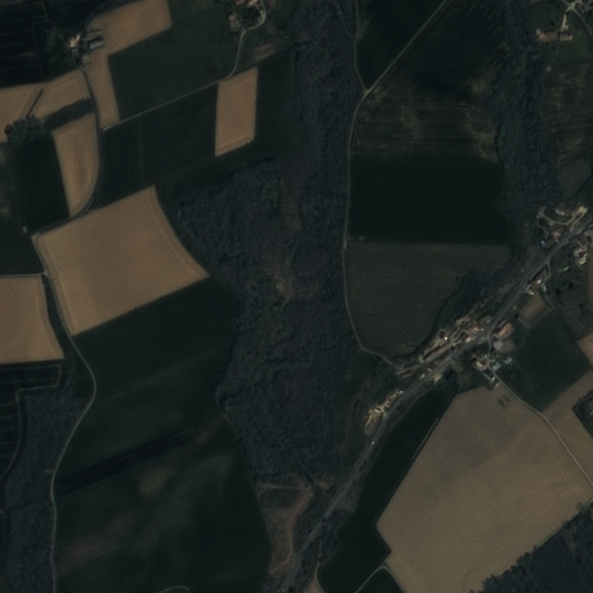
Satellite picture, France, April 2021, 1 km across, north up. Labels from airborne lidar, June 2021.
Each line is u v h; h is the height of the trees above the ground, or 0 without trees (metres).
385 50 0
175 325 0
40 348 0
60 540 0
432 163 0
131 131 0
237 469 0
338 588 0
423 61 0
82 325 0
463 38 0
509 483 0
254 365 14
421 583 0
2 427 0
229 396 7
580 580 10
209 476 0
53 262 0
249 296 16
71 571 0
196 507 0
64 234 0
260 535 0
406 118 0
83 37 8
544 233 14
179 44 0
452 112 0
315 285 17
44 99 0
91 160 0
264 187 17
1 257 0
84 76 0
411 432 0
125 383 0
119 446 0
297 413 18
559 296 11
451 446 0
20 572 18
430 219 0
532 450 0
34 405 15
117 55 0
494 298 10
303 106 11
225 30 0
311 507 6
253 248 14
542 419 0
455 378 18
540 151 12
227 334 0
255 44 0
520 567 12
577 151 0
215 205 19
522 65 22
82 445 0
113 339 0
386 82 0
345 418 0
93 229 0
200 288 0
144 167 0
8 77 0
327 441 8
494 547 0
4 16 0
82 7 0
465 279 8
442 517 0
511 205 7
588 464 0
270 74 0
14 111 0
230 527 0
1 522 0
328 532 12
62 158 0
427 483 0
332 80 6
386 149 0
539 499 0
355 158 0
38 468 15
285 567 0
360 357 0
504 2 19
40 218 0
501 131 13
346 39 13
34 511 23
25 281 0
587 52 0
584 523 7
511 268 15
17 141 9
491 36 0
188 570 0
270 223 17
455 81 0
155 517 0
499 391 0
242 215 20
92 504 0
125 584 0
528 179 8
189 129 0
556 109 0
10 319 0
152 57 0
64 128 0
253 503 0
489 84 0
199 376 0
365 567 0
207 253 7
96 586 0
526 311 0
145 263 0
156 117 0
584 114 0
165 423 0
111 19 0
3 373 0
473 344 0
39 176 0
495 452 0
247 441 13
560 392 0
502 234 0
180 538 0
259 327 14
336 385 6
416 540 0
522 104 19
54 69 0
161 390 0
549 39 0
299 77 12
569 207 8
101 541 0
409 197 0
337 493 8
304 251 12
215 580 0
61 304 0
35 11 0
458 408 0
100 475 0
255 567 0
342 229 11
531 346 0
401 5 0
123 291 0
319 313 10
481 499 0
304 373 7
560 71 0
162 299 0
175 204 0
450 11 0
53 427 16
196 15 0
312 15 15
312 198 18
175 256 0
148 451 0
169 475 0
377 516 0
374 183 0
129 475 0
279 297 13
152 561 0
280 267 7
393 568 0
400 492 0
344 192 9
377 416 0
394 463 0
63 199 0
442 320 6
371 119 0
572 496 0
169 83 0
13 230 0
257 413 19
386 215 0
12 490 22
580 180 0
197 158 0
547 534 0
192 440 0
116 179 0
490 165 0
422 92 0
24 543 25
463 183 0
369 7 0
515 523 0
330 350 6
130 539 0
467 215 0
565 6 0
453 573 0
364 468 11
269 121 0
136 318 0
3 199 0
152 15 0
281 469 8
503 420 0
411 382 6
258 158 0
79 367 0
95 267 0
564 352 0
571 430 0
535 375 0
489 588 22
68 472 0
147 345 0
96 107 0
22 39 0
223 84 0
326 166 17
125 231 0
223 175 0
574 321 0
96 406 0
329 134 17
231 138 0
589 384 0
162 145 0
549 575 9
